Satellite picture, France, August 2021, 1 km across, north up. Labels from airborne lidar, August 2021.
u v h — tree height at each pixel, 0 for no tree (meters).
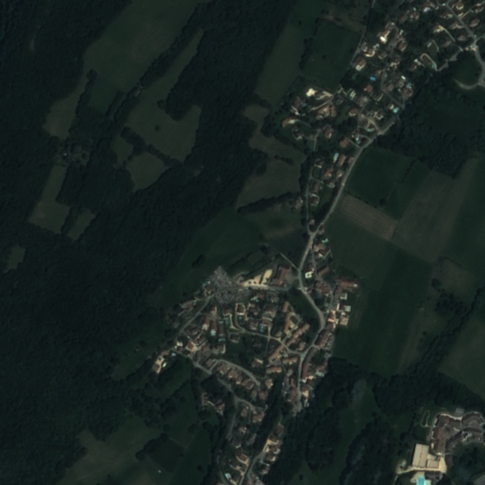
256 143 0
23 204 16
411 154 6
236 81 20
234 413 13
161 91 0
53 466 20
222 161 18
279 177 0
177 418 0
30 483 19
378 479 25
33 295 23
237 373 0
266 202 17
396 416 14
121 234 18
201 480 0
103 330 23
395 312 0
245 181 8
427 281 0
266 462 8
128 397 16
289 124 0
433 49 0
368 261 0
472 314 19
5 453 20
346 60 0
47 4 9
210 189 8
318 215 9
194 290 9
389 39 8
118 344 15
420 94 18
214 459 9
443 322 0
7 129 14
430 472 0
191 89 15
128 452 0
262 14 20
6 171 23
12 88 11
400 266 0
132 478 0
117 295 19
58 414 17
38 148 16
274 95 0
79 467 0
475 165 0
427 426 0
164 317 10
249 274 7
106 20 19
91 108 9
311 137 0
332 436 27
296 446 20
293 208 8
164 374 14
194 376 6
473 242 0
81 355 24
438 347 17
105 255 15
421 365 16
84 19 21
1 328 18
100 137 9
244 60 18
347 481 27
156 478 0
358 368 20
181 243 18
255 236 0
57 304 20
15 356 19
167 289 0
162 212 20
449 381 18
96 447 0
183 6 0
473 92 0
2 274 15
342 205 0
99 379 23
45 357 21
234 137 10
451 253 0
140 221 23
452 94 13
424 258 0
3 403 21
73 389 22
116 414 7
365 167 0
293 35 0
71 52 17
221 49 20
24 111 20
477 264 0
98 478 0
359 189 0
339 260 0
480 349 0
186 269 0
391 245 0
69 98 0
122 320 19
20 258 0
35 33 9
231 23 14
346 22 0
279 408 13
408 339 0
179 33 0
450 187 0
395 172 0
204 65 16
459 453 0
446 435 0
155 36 0
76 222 14
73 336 24
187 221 21
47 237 16
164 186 19
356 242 0
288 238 0
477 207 0
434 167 12
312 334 0
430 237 0
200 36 0
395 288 0
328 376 14
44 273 16
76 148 19
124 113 20
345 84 12
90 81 8
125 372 0
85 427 10
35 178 13
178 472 0
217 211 15
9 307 19
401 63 9
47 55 15
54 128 0
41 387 18
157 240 21
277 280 0
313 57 0
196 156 16
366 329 0
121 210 13
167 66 18
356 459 26
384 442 24
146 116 0
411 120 18
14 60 13
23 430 26
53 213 0
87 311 18
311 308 0
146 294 21
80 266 16
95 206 14
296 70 0
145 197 21
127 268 18
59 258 16
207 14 18
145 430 0
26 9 20
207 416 15
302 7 0
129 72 0
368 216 0
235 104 20
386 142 29
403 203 0
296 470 21
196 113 0
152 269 9
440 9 6
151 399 15
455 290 0
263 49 15
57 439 20
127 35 0
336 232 0
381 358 0
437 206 0
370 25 9
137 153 14
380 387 22
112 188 19
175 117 17
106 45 0
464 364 0
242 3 19
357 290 0
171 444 0
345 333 0
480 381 0
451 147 17
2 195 19
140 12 0
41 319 18
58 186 0
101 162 16
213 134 14
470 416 0
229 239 0
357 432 0
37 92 21
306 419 9
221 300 0
